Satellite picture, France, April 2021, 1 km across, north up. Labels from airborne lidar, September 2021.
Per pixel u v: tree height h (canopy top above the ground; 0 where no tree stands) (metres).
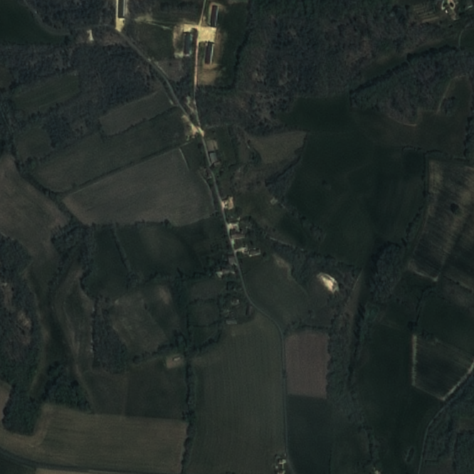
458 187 0
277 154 0
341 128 0
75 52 9
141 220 0
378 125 0
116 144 0
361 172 0
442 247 0
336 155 0
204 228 0
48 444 0
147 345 0
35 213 0
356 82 14
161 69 0
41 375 0
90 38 0
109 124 0
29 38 0
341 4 18
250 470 0
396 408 0
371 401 0
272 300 0
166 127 0
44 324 0
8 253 17
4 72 0
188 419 13
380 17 19
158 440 0
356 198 0
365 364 0
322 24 19
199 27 0
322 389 0
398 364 0
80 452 0
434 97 18
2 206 0
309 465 0
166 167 0
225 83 0
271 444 0
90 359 0
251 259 0
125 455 0
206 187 0
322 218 0
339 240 0
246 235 6
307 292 0
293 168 9
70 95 0
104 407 0
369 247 0
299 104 0
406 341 0
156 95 0
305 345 0
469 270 0
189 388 13
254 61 17
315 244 0
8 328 15
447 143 0
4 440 0
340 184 0
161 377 0
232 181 11
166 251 0
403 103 14
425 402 0
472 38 0
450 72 24
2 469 0
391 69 0
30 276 0
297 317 0
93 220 0
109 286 0
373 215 0
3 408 0
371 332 8
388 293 24
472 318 0
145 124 10
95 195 0
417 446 0
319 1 21
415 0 0
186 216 0
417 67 20
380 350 0
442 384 0
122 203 0
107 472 0
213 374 0
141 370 0
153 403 0
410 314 0
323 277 0
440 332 0
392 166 0
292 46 21
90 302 0
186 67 11
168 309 0
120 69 9
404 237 0
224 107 18
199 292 0
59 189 0
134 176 0
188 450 16
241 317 0
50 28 14
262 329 0
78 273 0
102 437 0
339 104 0
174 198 0
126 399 0
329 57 14
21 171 24
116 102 6
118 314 0
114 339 16
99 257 0
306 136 0
